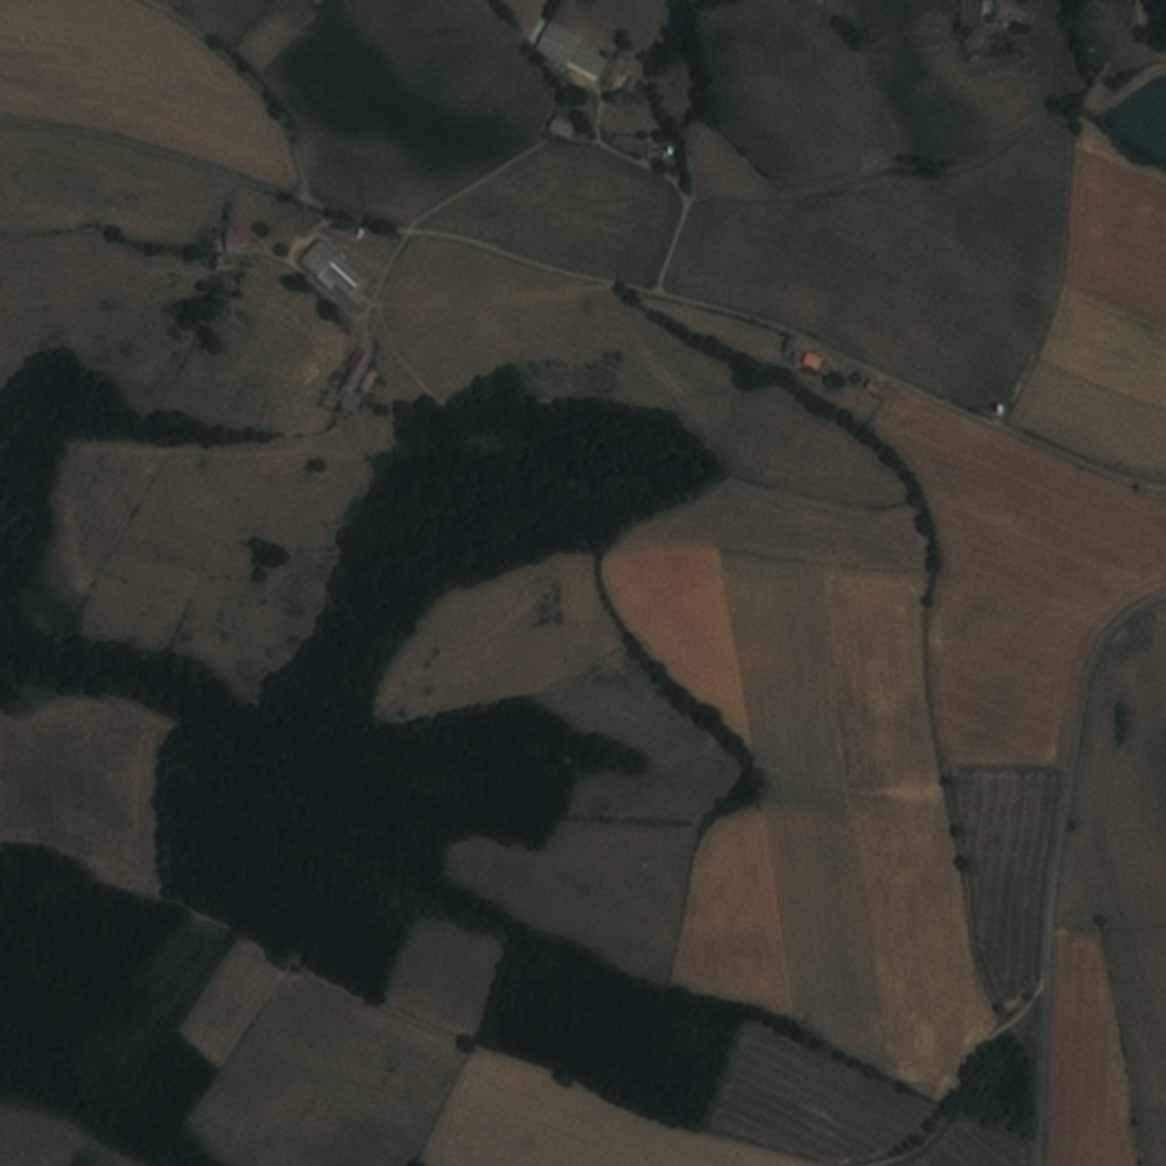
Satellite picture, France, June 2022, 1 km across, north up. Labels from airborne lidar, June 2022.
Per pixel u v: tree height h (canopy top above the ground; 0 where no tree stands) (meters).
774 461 0
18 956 9
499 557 18
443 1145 0
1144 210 0
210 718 23
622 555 0
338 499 0
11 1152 0
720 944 0
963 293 0
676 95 0
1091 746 0
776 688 0
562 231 0
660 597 0
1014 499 0
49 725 0
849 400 0
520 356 0
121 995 11
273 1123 0
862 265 0
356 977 15
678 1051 13
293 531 0
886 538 0
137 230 0
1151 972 0
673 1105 18
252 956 0
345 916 25
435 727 15
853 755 0
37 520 17
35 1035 8
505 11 11
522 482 15
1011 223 0
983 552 0
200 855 22
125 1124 7
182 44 0
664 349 0
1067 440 0
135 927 8
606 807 0
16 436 24
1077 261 0
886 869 0
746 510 0
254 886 21
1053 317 0
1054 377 0
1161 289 0
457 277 0
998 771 0
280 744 17
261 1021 0
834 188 0
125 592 0
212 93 0
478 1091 0
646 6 0
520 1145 0
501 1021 9
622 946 0
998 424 0
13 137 0
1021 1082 6
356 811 18
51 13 0
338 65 0
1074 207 0
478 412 15
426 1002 0
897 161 7
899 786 0
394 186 0
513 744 19
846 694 0
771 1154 0
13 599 20
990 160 0
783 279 0
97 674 18
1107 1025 0
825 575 0
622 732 0
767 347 0
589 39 0
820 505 0
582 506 17
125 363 0
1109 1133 0
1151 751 0
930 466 0
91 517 0
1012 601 0
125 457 0
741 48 0
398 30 0
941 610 0
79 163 0
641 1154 0
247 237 0
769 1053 0
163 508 0
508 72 0
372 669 15
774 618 0
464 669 0
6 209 0
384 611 25
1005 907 0
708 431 0
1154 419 0
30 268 0
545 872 0
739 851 0
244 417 0
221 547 0
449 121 0
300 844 14
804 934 0
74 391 25
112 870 0
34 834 0
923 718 0
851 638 0
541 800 16
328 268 0
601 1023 10
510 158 0
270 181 0
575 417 19
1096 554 0
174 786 23
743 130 0
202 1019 0
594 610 0
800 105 0
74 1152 0
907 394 0
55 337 0
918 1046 0
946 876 0
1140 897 0
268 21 0
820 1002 0
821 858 0
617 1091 14
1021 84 0
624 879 0
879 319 0
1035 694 0
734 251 0
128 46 0
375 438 0
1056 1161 0
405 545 12
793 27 0
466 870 0
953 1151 0
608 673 0
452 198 0
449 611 0
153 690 21
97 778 0
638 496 16
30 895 9
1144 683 0
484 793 17
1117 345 0
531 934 8
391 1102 0
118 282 0
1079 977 0
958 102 0
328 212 7
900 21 0
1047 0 0
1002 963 0
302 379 0
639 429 17
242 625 0
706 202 0
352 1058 0
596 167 0
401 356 0
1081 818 0
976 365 0
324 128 0
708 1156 0
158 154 0
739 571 0
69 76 0
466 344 0
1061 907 0
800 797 0
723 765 0
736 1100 0
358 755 20
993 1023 0
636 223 0
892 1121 0
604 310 0
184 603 0
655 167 12
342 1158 0
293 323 0
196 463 0
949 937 0
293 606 0
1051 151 0
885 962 0
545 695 0
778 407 0
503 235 0
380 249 0
